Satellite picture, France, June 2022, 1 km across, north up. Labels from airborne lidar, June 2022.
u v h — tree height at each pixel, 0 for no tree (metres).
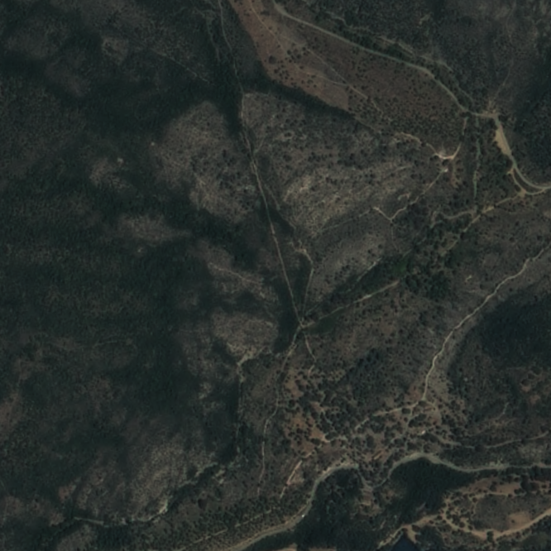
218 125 0
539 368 9
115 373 6
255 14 0
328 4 6
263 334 0
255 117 0
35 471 6
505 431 6
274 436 0
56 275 8
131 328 6
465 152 0
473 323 0
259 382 0
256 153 0
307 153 0
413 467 7
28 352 6
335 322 0
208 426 9
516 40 0
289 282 0
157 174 0
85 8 0
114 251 6
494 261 0
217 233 8
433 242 8
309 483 8
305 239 0
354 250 0
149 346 9
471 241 9
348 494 10
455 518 9
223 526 6
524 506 0
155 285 5
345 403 8
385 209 0
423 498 11
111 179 6
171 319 7
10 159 6
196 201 0
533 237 0
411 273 6
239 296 0
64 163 6
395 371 7
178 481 0
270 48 0
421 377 0
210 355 0
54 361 6
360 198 0
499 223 0
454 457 8
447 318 0
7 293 7
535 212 0
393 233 0
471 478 12
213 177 0
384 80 0
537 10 0
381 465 11
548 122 9
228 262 0
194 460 0
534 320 6
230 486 0
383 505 8
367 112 6
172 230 0
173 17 6
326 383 8
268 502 6
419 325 7
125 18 0
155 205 8
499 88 0
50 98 6
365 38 8
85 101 5
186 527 7
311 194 0
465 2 0
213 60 7
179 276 6
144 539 7
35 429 6
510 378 12
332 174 0
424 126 7
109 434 6
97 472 0
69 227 6
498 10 0
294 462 0
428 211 6
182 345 0
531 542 0
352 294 0
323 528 9
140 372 6
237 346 0
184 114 0
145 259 8
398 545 0
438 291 6
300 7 0
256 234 0
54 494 5
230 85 9
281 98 9
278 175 0
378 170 0
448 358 0
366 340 0
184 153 0
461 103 8
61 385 7
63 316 8
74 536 0
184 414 0
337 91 0
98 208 8
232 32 6
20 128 7
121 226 0
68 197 7
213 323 0
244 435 6
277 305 0
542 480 19
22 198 6
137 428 0
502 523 0
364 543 12
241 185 6
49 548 6
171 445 0
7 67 5
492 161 7
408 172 0
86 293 7
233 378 0
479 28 0
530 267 0
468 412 9
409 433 6
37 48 0
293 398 6
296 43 0
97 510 0
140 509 0
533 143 8
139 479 0
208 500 6
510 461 7
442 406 7
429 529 9
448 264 9
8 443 8
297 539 8
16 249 5
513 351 6
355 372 15
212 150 0
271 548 7
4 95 7
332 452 0
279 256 0
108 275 5
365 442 7
